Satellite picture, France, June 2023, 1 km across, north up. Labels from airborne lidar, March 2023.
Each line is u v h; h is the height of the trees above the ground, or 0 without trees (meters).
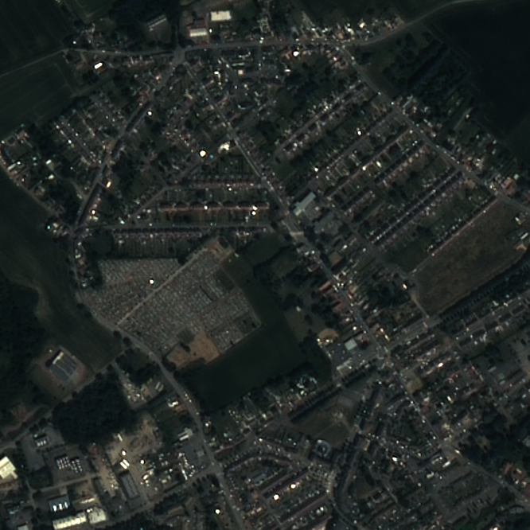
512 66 0
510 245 0
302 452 0
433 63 19
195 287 0
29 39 0
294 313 0
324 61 0
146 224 0
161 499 0
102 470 0
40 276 0
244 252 9
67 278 0
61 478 0
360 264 0
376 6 0
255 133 0
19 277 0
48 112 0
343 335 0
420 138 0
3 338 12
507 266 0
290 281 7
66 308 0
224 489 0
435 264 0
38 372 0
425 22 0
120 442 0
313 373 16
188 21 0
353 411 0
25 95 0
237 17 0
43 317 0
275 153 0
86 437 11
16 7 0
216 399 0
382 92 0
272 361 0
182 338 0
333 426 0
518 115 0
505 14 0
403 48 9
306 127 0
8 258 0
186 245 0
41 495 7
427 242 0
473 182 0
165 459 0
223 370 0
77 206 7
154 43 8
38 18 0
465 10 0
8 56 0
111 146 0
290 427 0
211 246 0
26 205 0
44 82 0
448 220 0
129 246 0
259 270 14
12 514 0
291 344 0
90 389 11
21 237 0
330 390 7
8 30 0
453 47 0
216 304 0
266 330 0
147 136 0
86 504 0
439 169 0
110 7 0
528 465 18
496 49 0
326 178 0
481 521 0
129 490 0
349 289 0
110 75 0
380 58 0
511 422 0
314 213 0
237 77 0
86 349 0
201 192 10
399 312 0
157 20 0
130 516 0
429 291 0
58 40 0
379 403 0
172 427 0
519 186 12
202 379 0
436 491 0
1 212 0
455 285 0
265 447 0
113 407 16
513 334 0
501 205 0
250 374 0
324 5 0
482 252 0
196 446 0
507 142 0
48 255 0
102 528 0
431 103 6
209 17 0
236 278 0
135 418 9
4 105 0
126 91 10
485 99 0
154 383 0
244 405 9
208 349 0
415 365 0
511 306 0
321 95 0
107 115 0
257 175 0
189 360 0
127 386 0
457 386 0
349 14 0
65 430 18
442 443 0
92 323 0
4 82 0
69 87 0
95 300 0
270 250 0
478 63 0
